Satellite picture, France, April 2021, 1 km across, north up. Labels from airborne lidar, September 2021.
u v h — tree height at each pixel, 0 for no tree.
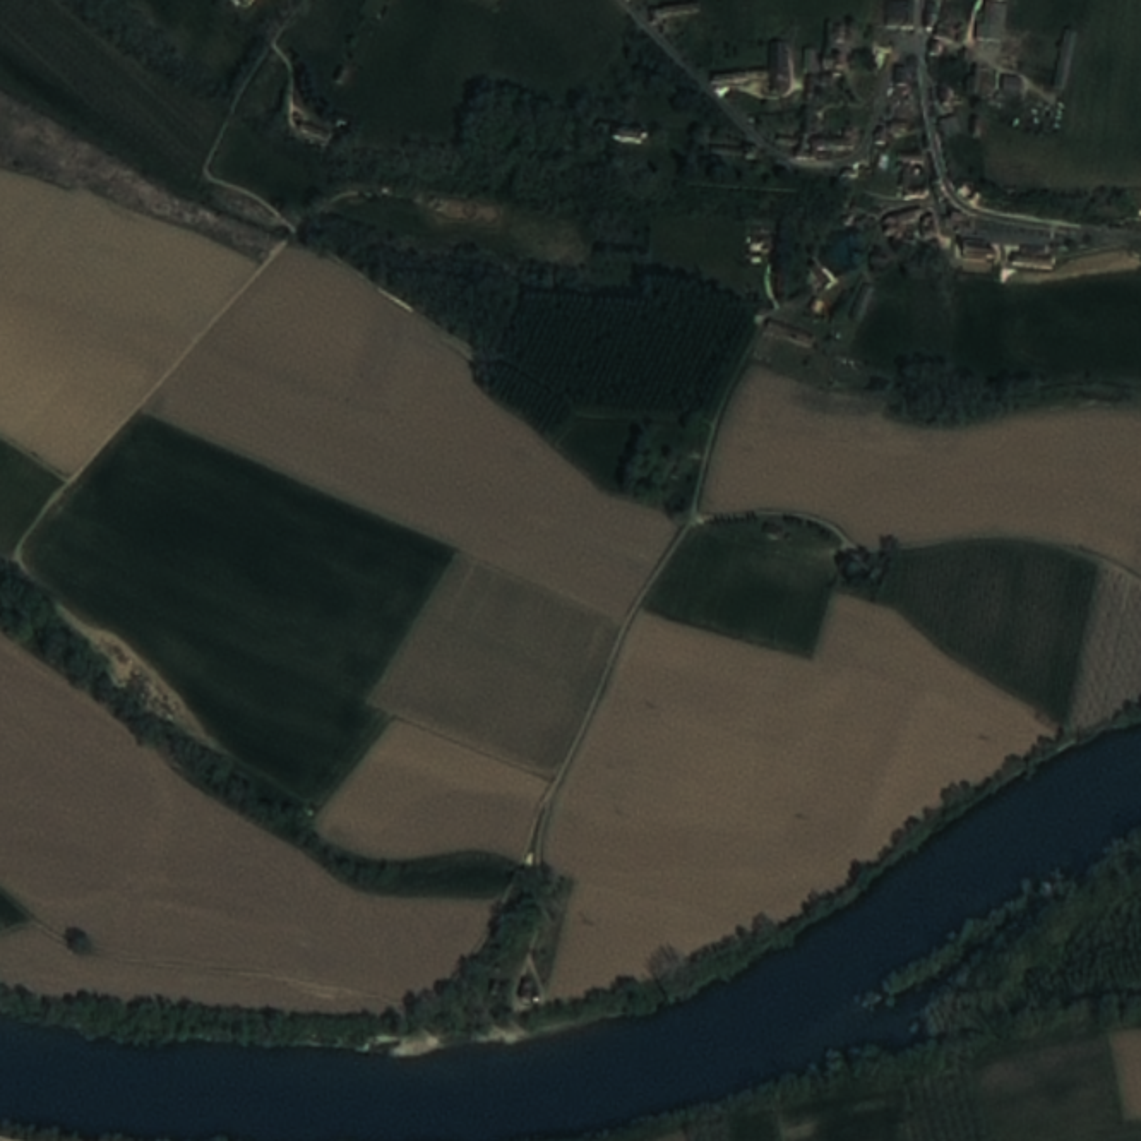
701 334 26
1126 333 0
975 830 0
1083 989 22
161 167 6
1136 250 0
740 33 0
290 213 20
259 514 0
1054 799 0
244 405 0
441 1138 0
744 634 0
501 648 0
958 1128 10
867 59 14
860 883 21
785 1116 0
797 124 6
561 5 0
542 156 28
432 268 15
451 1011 16
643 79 14
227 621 0
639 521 0
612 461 0
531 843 0
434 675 0
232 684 0
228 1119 0
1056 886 15
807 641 0
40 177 0
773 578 0
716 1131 15
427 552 0
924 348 0
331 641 0
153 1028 16
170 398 0
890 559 9
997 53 0
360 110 0
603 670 0
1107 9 0
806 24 0
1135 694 0
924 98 9
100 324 0
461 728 0
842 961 0
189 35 0
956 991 32
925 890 0
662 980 26
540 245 0
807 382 0
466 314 26
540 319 26
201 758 14
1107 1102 0
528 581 0
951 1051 25
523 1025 10
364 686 0
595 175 15
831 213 15
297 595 0
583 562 0
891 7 0
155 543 0
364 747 0
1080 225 10
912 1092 13
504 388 27
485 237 0
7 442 0
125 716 21
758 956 14
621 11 0
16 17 6
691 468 7
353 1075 0
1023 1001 16
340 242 15
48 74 7
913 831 14
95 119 6
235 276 0
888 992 16
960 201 0
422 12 0
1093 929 20
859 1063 14
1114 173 0
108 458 0
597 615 0
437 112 0
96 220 0
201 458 0
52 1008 15
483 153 30
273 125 17
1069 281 0
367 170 13
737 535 0
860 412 0
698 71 7
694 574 0
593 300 8
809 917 17
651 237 9
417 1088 0
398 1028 22
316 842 17
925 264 19
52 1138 17
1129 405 0
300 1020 12
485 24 0
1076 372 0
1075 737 10
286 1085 0
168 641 0
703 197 7
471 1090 0
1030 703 0
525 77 0
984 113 9
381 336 0
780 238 11
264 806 9
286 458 0
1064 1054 0
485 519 0
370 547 0
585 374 26
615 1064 0
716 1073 0
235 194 0
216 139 0
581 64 0
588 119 18
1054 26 0
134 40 15
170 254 0
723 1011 0
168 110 6
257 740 0
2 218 0
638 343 27
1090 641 0
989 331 0
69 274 0
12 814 0
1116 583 0
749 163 7
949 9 0
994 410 23
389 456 0
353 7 0
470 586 0
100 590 0
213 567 0
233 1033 13
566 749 0
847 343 0
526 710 0
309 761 0
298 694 0
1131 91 0
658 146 15
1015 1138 0
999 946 21
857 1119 0
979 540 0
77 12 14
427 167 20
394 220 0
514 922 22
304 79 16
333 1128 0
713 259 0
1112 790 0
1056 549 0
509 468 0
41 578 0
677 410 22
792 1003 0
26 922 0
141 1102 0
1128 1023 22
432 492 0
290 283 0
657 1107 0
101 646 0
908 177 0
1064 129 0
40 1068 0
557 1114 0
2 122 0
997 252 0
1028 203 8
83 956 22
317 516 0
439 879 0
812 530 8
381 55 0
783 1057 0
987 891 0
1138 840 31
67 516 0
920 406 20
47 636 15
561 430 27
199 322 0
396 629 0
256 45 17
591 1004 13
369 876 13
